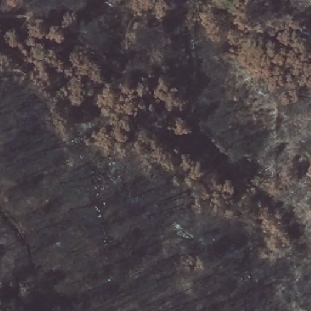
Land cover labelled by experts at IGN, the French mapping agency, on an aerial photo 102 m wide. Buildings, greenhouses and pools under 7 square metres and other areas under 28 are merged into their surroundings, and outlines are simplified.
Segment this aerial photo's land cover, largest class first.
<instances>
[{"label":"bare soil","instance_id":"1","mask_svg":"<svg viewBox=\"0 0 311 311\"><path fill-rule=\"evenodd\" d=\"M165 4L169 5V10H166L162 18H157L155 11L151 9L142 10L141 16H134L130 0H0V19L6 26L17 24L19 28H24L34 19H46L51 10L61 13L66 9H74L85 17L87 33L100 43L98 49L94 50L97 60L103 64L112 62L114 58L126 62L125 68H120L121 79L137 70H143L148 78H152L154 63L162 62L164 53L168 55L169 62L173 64L170 69V80L180 94L177 101L182 102L181 113L190 117L194 128V131L187 130V134L177 135L174 141L177 145L194 151L202 158L208 170L232 177L234 182L231 185L234 210L231 217L222 219L216 215H199L188 200L186 188L169 187L165 181L153 182L138 171L137 165L125 163L113 155H103L100 148L85 145L84 137L92 129L91 123L70 124L64 134L50 131L41 119L40 111L44 107L43 104L36 100L34 95L24 91L22 85L0 81V281L18 279L30 290L41 289V298L46 304L55 299L73 296L83 302L85 311H311V242L310 232L305 231L302 219L295 215L294 209L298 207L305 194L311 191V92L301 100L298 98L292 107L283 104L281 97L267 89L264 79L254 78L245 81L243 75H232V64L224 60V55L230 49L238 50V46L231 45L228 40L226 43H211L200 19L203 6L211 4V0H164ZM262 213L281 215L282 222L278 230L287 233V238L293 245L290 253L275 261L262 259L256 254V249L266 243L260 219ZM278 18L289 15L293 21L302 22L306 21L311 13V0H270Z\"/></svg>","mask_w":311,"mask_h":311},{"label":"coniferous trees","instance_id":"2","mask_svg":"<svg viewBox=\"0 0 311 311\"><path fill-rule=\"evenodd\" d=\"M134 16H141L142 10L151 9L155 11L157 18H162L166 10H169V5L165 4L164 0H130ZM211 4L203 6L200 19L211 43H226L228 40L231 45L238 46V50L230 49L224 55V60L232 64V75H243L245 81L254 78L264 79L267 89L281 97L283 104L292 107L298 98L301 100L311 92V13L306 21L302 22L293 21L289 15L278 18L270 0H211ZM100 43L87 33L85 17L74 9H66L61 13L51 10L46 19H34L24 28H19L17 24L6 26L0 19V81L22 85L24 91L34 95L36 100L43 104L44 107L40 111L41 119L50 131L64 134L70 124L91 123L92 129L84 137L85 145L100 148L103 155H113L125 163L137 165L138 171L153 182L165 181L169 187L186 188L188 200L199 215H216L222 219L231 217L234 210L231 185L234 182L232 177L208 170L202 158L194 151L177 145L174 141L177 135L187 134V130L194 131V128L190 117L181 113L182 102L177 101L180 94L170 80V69L173 64L169 62L168 55L164 53L162 62L154 63L152 78H148L143 70H137L121 79L120 68H125L126 62L114 58L112 62L103 64L97 60L94 50L98 49ZM295 215L302 219L305 231L310 232L311 242V191L305 194L298 207L294 209ZM260 219L266 243L256 249V254L262 259L275 261L290 253L293 245L287 238V233L278 230L282 222L281 215L262 213ZM41 289L30 290L18 279L0 281V311H85L83 302L73 296L55 299L46 304L41 298Z\"/></svg>","mask_w":311,"mask_h":311}]
</instances>
